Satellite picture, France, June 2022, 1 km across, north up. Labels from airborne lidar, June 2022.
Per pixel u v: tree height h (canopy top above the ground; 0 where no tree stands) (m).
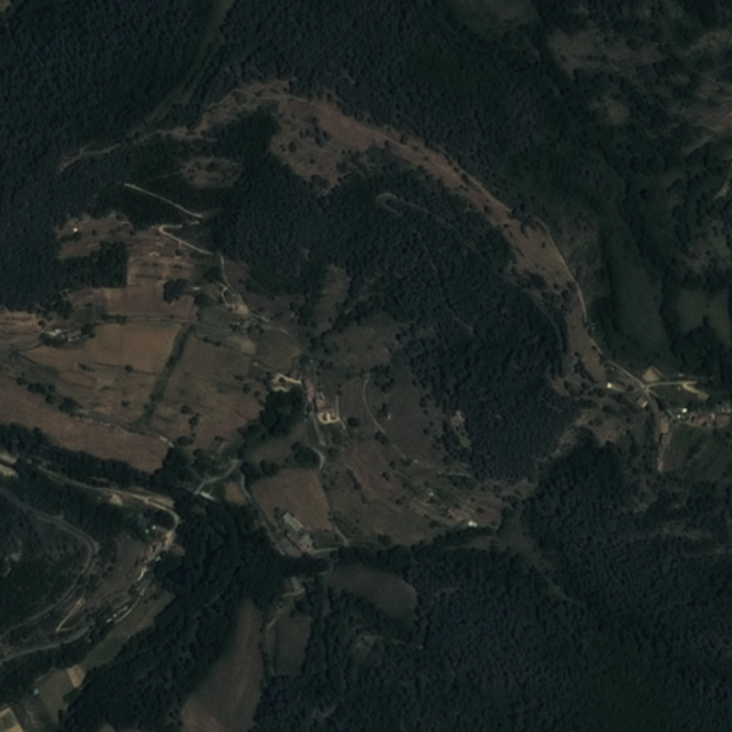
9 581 11
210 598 11
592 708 18
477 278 20
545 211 11
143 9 18
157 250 0
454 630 17
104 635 17
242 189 11
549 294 12
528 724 23
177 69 15
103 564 13
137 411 0
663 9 13
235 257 17
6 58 22
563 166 13
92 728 15
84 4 13
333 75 20
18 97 16
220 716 0
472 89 17
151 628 9
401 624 23
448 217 7
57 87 18
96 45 17
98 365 0
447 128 17
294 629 0
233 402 0
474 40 16
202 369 0
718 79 7
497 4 0
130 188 5
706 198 15
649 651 22
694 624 18
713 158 10
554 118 22
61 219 13
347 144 0
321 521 0
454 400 13
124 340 0
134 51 19
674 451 0
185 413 14
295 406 8
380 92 21
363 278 19
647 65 7
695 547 11
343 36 24
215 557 19
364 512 0
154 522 7
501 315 18
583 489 25
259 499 0
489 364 16
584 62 0
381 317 0
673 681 32
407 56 29
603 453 15
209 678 0
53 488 20
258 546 14
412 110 21
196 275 0
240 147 15
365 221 15
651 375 0
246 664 0
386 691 19
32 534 15
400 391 0
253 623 0
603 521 21
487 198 0
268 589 8
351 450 0
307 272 6
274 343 0
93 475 17
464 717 14
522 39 8
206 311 0
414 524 0
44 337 9
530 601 10
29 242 15
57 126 19
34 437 12
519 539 0
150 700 32
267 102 0
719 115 0
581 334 0
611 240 6
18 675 17
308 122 0
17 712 0
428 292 24
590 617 22
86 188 20
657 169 18
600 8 17
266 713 11
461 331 13
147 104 8
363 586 0
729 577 12
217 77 12
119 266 18
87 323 7
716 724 15
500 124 16
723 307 0
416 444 0
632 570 24
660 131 9
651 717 23
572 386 12
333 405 0
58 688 0
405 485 7
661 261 18
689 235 10
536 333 13
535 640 16
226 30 19
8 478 21
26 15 16
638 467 7
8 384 0
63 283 9
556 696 21
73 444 0
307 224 20
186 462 20
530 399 14
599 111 12
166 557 15
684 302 0
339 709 9
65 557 6
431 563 8
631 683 21
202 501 15
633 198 21
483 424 16
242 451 13
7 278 11
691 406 8
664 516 9
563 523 12
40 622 7
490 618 19
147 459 0
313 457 8
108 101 13
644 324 0
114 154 11
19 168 20
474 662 18
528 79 23
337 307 8
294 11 20
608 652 20
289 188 15
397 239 23
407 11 19
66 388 0
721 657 19
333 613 7
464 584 11
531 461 16
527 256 0
